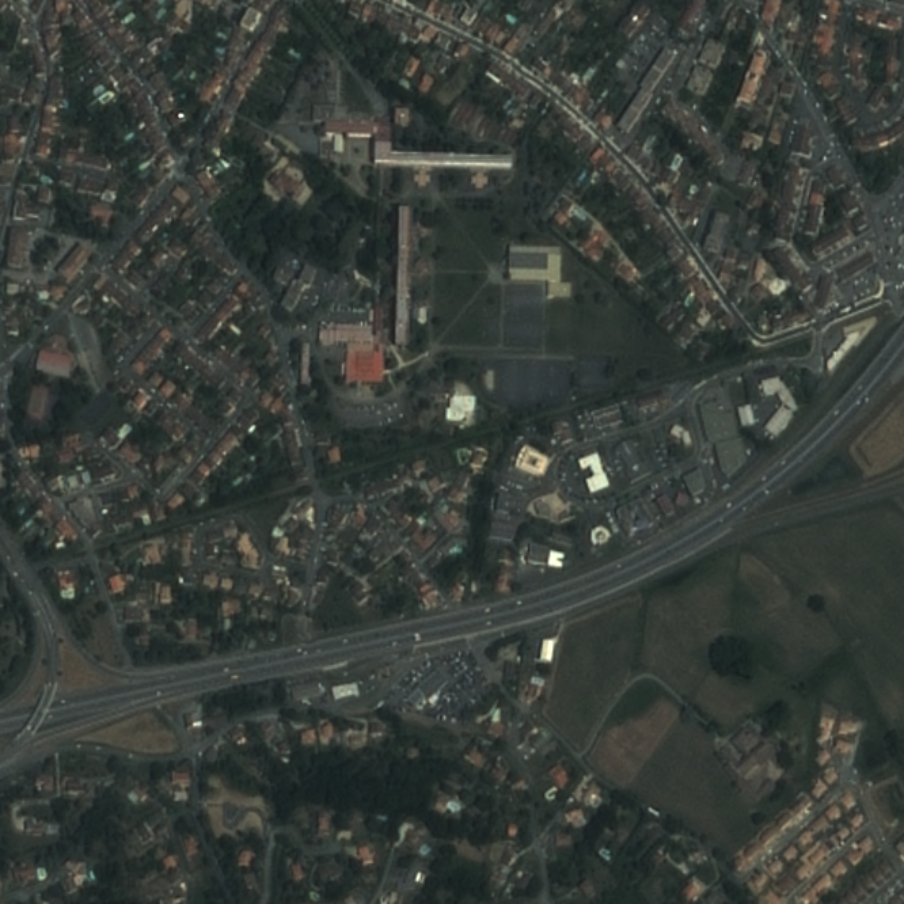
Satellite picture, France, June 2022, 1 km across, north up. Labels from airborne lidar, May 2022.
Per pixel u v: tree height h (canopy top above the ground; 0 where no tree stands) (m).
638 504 0
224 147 8
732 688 0
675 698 0
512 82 0
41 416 0
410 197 0
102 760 0
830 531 0
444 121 11
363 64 15
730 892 13
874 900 0
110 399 0
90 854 14
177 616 9
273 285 16
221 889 10
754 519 0
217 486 6
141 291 0
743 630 0
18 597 7
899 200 0
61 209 8
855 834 0
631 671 0
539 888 11
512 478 0
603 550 0
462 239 0
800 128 0
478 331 0
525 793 7
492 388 0
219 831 0
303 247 17
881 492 0
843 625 0
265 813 0
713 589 0
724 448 0
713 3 6
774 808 0
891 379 0
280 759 7
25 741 0
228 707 9
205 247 0
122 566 11
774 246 0
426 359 0
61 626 0
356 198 8
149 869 9
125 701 0
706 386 0
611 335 0
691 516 0
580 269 0
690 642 0
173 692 0
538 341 0
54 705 0
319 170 8
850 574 0
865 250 0
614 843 10
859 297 6
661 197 12
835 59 0
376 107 0
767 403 0
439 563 6
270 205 18
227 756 11
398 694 0
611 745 0
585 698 0
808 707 0
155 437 6
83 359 0
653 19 0
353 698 0
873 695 0
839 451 0
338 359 0
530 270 0
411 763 13
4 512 10
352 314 0
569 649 0
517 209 0
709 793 0
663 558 0
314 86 7
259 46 0
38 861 14
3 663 0
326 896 8
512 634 7
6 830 0
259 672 0
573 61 6
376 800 17
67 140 6
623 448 0
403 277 0
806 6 10
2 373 0
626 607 0
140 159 6
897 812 0
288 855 8
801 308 7
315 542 0
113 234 10
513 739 0
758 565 0
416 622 0
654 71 0
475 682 0
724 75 6
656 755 0
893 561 0
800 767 0
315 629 0
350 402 0
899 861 0
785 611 0
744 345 8
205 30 7
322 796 13
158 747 0
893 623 0
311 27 8
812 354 0
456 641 0
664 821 7
